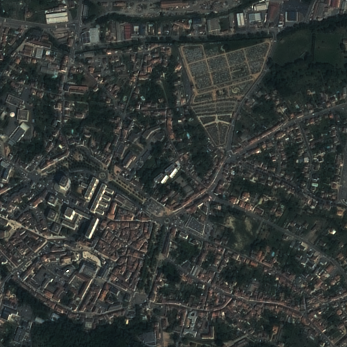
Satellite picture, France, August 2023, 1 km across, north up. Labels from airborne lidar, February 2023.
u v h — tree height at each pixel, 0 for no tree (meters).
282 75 9
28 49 0
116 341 15
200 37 8
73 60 0
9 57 7
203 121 0
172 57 6
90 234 0
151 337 0
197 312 0
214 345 6
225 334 12
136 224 0
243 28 0
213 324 11
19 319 0
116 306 0
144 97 0
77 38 0
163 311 0
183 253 14
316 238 0
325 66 12
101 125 7
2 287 0
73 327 8
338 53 0
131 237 0
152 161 0
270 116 0
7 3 0
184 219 18
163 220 0
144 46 0
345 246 8
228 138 0
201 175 14
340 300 0
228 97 0
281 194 7
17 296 12
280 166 0
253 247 17
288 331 0
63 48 14
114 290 0
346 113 0
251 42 0
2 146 0
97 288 0
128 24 0
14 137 0
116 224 0
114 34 0
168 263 8
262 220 0
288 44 0
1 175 0
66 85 17
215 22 0
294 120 0
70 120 7
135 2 0
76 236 9
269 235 0
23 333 0
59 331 18
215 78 0
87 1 13
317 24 21
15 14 0
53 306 0
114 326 13
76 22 0
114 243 0
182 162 0
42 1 7
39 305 20
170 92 6
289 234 0
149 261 16
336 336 0
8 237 0
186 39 11
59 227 0
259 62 0
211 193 0
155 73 6
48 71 0
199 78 0
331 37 0
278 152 0
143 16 0
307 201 0
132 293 0
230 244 0
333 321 6
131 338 12
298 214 8
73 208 0
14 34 0
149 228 0
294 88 0
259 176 9
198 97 0
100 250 0
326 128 6
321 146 12
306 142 0
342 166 0
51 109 10
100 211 0
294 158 7
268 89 0
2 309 0
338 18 17
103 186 0
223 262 0
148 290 15
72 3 0
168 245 0
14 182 15
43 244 0
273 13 0
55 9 0
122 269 0
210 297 0
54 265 0
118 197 0
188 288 0
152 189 12
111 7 0
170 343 0
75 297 0
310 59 20
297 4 0
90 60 0
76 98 7
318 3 0
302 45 0
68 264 0
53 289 0
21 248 0
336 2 0
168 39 10
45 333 19
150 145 0
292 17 0
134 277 0
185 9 0
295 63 7
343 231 11
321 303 0
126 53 0
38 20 0
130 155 0
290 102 0
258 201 6
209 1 0
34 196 0
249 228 0
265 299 0
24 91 0
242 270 6
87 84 0
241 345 0
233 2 0
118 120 0
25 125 0
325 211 0
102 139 6
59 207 0
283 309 0
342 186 0
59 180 0
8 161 0
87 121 11
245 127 12
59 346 7
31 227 10
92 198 0
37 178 0
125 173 0
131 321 10
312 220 0
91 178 8
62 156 0
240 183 7
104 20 14
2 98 0
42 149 13
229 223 0
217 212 18
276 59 0
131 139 0
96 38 0
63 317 19
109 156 0
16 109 0
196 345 15
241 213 18
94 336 18
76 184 9
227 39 7
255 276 6
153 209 0
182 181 0
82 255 0
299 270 0
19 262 0
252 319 0
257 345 16
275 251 9
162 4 0
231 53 0
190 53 0
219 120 0
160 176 0
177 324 10
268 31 0
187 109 13
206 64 0
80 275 0
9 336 9
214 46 0
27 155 6
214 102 0
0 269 17
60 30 0
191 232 0
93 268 0
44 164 0
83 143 0
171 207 0
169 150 7
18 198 0
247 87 0
